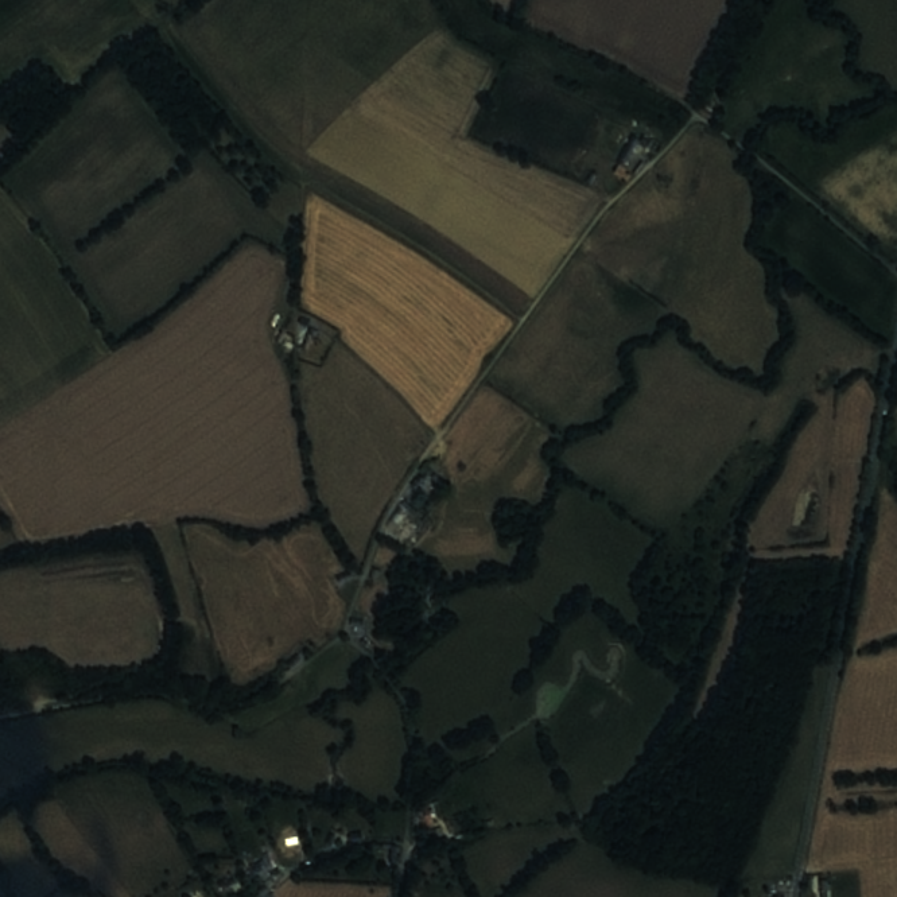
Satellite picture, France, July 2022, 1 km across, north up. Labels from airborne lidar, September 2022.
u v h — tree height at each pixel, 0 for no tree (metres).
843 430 0
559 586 0
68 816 0
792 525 0
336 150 0
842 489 0
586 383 0
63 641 0
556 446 10
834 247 0
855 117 14
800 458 0
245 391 0
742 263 0
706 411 0
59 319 0
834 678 0
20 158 16
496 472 0
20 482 0
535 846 0
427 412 0
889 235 0
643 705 0
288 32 0
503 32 0
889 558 0
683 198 0
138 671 10
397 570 11
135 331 11
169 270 0
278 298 0
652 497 0
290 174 0
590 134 0
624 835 12
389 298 0
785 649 15
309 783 0
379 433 0
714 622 9
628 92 0
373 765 0
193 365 0
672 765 14
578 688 0
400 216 0
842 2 0
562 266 0
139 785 0
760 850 0
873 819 0
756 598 13
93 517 0
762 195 13
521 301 0
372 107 0
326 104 0
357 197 0
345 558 15
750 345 0
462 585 14
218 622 0
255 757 0
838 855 0
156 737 0
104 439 0
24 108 24
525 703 0
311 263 0
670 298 0
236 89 0
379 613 19
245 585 0
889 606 0
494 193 0
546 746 17
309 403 0
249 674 0
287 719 0
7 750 0
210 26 0
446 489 16
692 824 15
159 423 0
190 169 15
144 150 0
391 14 0
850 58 10
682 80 0
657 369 0
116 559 0
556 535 0
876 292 0
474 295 0
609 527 0
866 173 0
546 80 0
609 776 0
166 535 0
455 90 0
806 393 0
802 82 0
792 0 0
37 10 0
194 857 10
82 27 0
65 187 0
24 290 0
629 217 0
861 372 9
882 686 0
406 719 8
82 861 0
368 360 0
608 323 0
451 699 0
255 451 0
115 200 0
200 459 0
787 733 14
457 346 0
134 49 20
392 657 12
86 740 0
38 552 15
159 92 22
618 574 0
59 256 6
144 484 0
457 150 0
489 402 0
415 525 0
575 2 0
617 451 0
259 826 8
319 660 0
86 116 0
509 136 0
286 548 0
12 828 0
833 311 13
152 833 0
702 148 0
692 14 0
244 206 0
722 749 15
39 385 0
